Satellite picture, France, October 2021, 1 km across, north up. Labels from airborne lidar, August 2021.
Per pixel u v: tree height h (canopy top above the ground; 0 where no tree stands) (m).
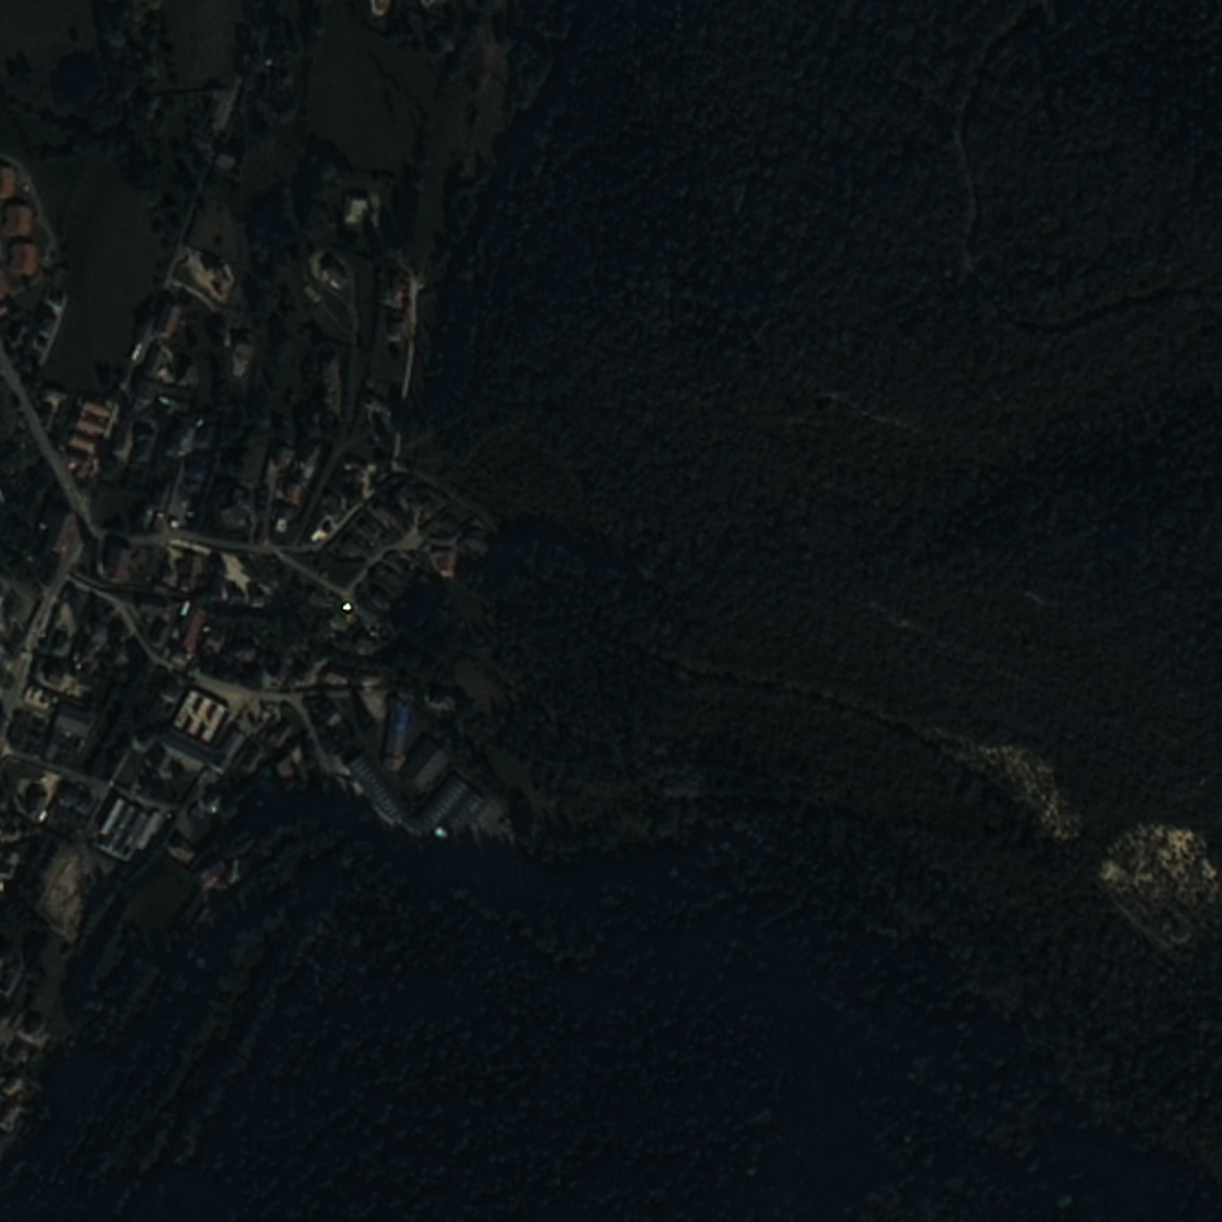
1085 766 13
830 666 13
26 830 6
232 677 6
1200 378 11
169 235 8
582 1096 24
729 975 12
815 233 11
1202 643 14
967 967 11
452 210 10
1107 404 8
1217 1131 17
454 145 0
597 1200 35
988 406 8
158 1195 15
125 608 0
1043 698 6
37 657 6
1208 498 15
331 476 0
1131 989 11
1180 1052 15
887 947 33
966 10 15
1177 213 11
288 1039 29
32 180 0
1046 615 7
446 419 26
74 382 0
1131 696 9
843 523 23
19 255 0
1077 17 16
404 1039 26
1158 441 11
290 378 0
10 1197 10
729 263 15
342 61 0
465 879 7
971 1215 19
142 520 6
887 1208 10
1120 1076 23
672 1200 24
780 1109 18
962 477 22
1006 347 11
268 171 0
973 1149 19
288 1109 25
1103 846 9
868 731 10
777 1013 16
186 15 0
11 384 0
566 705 19
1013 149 14
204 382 0
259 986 12
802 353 7
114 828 0
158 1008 15
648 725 21
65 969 0
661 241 22
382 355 0
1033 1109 21
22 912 11
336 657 10
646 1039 19
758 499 9
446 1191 6
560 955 16
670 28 12
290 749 6
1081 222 10
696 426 11
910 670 10
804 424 6
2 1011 7
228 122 0
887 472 10
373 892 23
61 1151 10
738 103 13
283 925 10
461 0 0
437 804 0
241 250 0
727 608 12
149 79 14
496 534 0
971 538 20
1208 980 9
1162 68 16
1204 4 12
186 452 0
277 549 0
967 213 9
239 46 0
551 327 14
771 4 11
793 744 15
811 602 11
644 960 23
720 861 25
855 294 16
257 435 14
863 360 13
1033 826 8
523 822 17
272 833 13
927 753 12
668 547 23
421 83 0
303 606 7
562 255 24
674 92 17
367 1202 33
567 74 16
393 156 0
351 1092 31
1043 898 10
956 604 8
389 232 0
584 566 16
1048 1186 14
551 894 12
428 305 0
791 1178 15
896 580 10
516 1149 18
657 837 12
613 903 26
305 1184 28
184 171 11
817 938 26
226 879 7
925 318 17
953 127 9
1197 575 8
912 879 20
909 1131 25
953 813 6
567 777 14
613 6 24
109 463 17
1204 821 7
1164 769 8
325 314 0
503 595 25
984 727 10
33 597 0
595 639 16
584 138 27
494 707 0
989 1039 6
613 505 17
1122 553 15
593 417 13
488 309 18
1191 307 11
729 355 12
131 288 0
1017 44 10
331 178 18
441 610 13
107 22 11
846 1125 17
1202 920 6
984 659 7
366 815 15
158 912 0
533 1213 13
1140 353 10
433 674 10
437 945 8
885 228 16
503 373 11
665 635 12
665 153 23
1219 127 14
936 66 18
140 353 0
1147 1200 22
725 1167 25
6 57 0
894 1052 18
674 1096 14
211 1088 25
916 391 6
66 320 0
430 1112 28
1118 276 11
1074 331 10
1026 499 22
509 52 8
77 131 9
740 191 18
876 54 18
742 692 14
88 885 0
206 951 0
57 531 0
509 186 17
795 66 14
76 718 0
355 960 17
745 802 14
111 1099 24
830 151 12
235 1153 30
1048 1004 7
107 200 0
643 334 16
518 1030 16
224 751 0
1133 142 13
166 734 0
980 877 9
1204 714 6
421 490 6
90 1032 8
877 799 9
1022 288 13
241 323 0
